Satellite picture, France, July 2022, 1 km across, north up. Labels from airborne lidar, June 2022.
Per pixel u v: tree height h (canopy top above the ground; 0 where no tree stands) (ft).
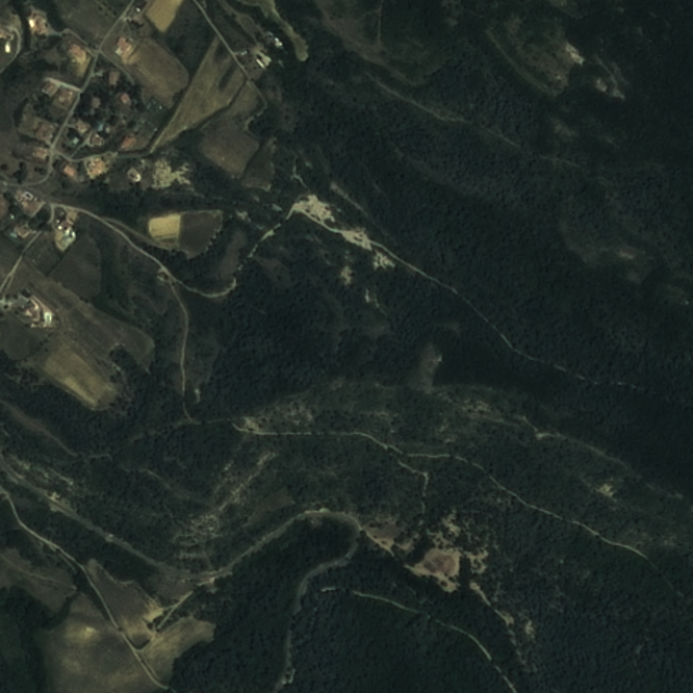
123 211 36
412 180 26
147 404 35
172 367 21
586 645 47
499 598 27
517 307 28
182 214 0
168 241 0
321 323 37
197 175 20
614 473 19
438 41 23
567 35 19
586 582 31
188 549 27
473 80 21
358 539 26
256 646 36
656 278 26
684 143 20
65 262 0
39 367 0
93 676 0
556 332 24
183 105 0
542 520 35
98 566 0
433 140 38
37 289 0
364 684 31
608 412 24
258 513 0
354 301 27
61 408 22
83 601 0
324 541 33
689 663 31
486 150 17
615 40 23
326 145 20
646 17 21
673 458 37
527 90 28
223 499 20
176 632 0
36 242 0
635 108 25
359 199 33
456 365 27
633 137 17
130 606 0
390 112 28
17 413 0
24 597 33
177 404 27
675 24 23
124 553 23
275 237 26
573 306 20
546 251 29
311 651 23
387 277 18
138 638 0
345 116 19
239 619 29
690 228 23
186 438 43
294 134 31
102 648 0
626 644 43
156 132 22
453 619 25
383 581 32
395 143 30
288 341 35
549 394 21
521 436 34
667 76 19
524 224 18
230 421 20
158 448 36
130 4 0
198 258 27
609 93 22
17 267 0
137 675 0
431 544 34
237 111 0
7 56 0
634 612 20
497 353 37
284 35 30
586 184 24
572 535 23
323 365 26
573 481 23
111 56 0
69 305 0
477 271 32
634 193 26
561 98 22
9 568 0
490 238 18
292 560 37
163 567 0
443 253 45
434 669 31
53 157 0
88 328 0
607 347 44
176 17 0
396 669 36
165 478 21
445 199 37
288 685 28
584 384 42
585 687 30
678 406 37
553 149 26
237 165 0
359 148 27
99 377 0
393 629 28
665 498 21
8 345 0
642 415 30
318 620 35
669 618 17
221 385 40
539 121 22
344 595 28
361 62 21
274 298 32
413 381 0
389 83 22
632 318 23
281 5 20
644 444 24
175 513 31
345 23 0
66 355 0
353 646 41
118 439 24
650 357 47
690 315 27
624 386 21
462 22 25
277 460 23
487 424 24
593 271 20
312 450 24
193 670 23
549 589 39
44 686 47
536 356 30
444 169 25
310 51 22
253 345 45
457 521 26
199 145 0
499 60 24
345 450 24
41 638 0
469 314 24
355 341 24
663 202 25
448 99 22
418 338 22
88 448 34
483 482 32
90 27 0
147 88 0
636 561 20
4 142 0
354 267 24
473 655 19
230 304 34
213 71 0
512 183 28
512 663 20
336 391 20
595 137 22
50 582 0
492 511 39
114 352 20
